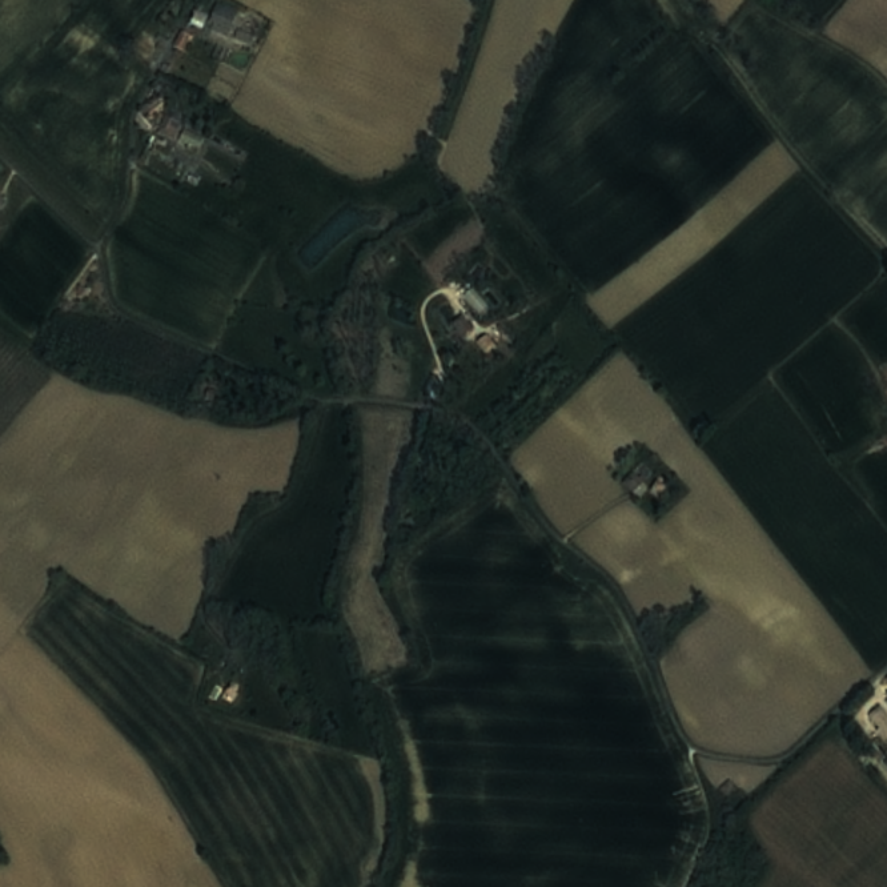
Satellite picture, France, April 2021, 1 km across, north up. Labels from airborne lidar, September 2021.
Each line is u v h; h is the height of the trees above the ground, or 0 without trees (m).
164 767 0
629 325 0
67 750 0
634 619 0
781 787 0
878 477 0
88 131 0
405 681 0
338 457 0
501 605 0
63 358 7
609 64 0
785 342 0
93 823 0
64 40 0
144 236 0
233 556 17
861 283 0
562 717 0
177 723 0
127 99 0
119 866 0
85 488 0
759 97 0
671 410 0
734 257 0
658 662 9
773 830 0
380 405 0
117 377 12
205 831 0
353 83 0
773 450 0
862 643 0
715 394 0
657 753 0
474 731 0
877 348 0
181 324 0
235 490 0
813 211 0
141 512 0
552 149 0
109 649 0
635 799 0
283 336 0
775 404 0
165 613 0
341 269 0
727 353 0
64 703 0
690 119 0
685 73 0
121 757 0
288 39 0
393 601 0
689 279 0
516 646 0
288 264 0
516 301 12
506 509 0
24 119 0
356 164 0
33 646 0
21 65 0
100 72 0
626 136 0
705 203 0
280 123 0
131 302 0
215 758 0
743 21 0
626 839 0
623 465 19
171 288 0
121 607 8
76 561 0
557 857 0
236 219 8
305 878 0
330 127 0
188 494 0
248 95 0
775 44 0
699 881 10
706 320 0
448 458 12
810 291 0
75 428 0
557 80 0
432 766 0
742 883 10
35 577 0
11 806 0
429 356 0
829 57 0
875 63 0
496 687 0
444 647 0
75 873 0
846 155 0
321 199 0
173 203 0
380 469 0
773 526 0
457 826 0
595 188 0
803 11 12
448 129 14
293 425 0
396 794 15
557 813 0
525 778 0
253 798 0
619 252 0
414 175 0
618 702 0
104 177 0
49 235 0
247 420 17
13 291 0
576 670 0
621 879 0
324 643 0
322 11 0
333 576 9
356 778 0
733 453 0
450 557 0
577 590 0
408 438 0
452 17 0
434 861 0
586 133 0
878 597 0
